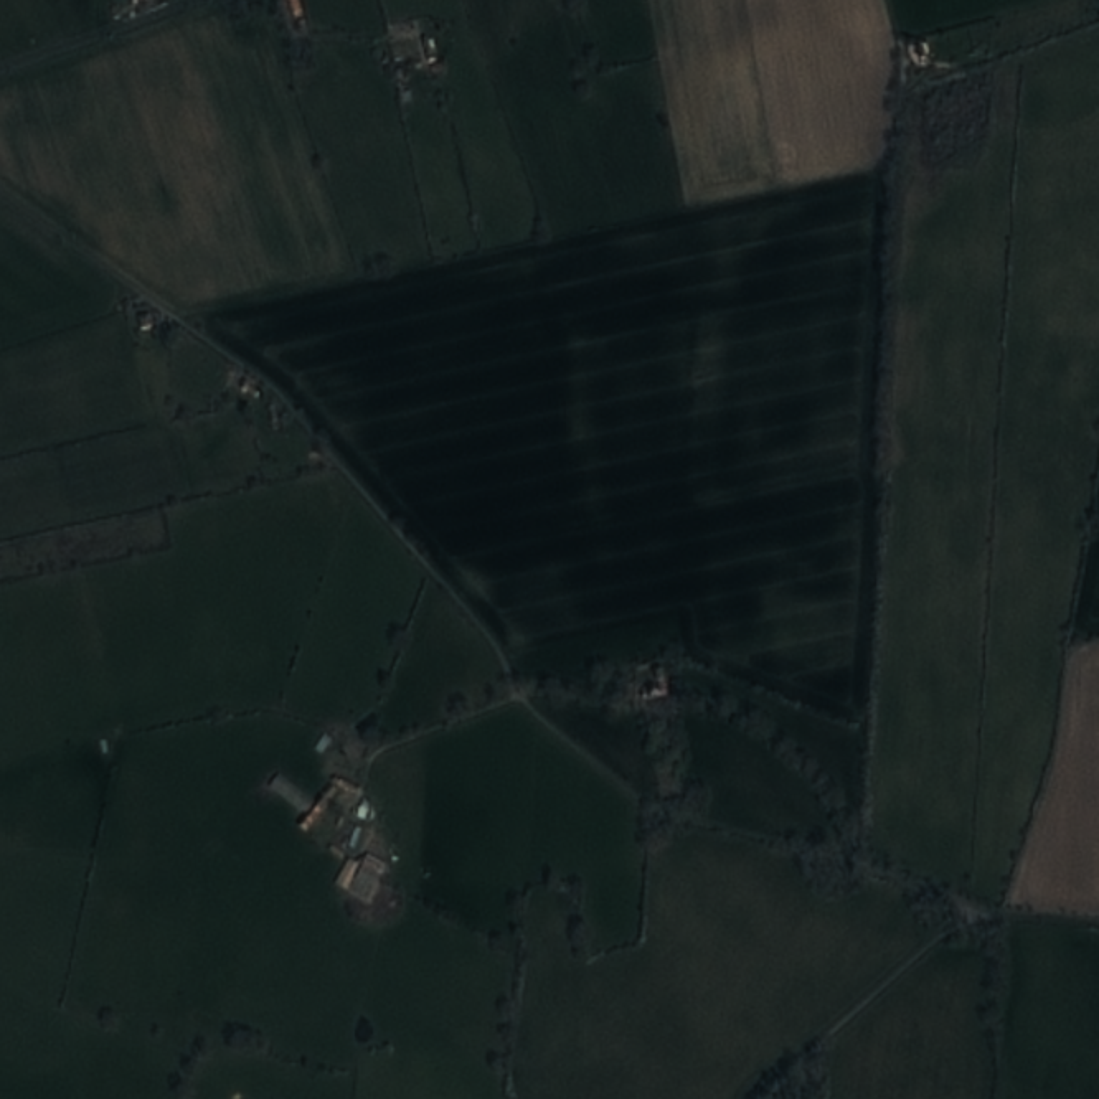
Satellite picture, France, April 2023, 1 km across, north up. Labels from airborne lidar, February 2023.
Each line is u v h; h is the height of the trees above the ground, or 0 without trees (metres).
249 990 0
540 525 0
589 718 0
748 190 0
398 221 0
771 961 0
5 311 0
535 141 0
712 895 0
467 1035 0
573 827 0
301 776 0
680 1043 0
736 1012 0
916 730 0
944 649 0
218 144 0
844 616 0
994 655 0
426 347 0
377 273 16
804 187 0
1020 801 0
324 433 11
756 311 0
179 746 0
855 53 0
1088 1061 0
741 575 0
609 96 0
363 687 0
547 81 0
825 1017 0
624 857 0
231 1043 19
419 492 0
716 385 0
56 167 0
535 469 0
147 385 0
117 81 0
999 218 0
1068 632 11
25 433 0
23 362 0
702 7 0
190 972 0
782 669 0
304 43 6
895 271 18
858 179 0
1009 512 0
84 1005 0
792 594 0
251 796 0
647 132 0
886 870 10
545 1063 0
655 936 0
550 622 0
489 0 0
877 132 0
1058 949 0
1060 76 0
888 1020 0
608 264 0
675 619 0
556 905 0
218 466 0
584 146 0
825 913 0
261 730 0
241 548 0
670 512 0
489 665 0
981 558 0
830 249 0
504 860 0
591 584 0
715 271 0
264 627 0
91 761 0
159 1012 0
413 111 0
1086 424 0
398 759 0
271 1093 0
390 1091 0
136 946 0
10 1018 0
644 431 0
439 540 0
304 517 0
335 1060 0
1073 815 0
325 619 0
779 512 0
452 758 0
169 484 0
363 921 0
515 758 0
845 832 16
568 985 0
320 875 0
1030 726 0
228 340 0
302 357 0
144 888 0
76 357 0
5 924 0
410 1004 0
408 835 0
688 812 15
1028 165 0
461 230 0
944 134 6
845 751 0
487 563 0
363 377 0
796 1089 25
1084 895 0
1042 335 0
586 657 0
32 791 0
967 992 0
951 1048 0
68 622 0
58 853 0
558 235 0
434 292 0
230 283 0
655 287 0
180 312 0
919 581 0
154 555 0
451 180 0
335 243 0
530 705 0
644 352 0
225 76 0
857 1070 0
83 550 0
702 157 0
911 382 0
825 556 0
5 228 0
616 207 0
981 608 0
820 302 0
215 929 0
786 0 0
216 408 10
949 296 0
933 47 0
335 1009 0
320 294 0
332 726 0
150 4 13
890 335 14
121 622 0
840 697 0
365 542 0
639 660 10
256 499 0
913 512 0
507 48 0
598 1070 0
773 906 0
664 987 0
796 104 0
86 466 0
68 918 0
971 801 0
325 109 0
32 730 0
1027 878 0
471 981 0
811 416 0
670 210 0
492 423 0
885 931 0
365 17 0
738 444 0
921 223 0
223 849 0
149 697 0
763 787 0
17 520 0
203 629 0
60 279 0
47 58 0
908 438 0
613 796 0
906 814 0
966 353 0
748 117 0
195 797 0
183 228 0
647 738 14
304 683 0
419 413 0
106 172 0
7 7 0
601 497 0
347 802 0
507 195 0
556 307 0
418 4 0
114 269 0
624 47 0
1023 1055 0
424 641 0
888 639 0
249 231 0
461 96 0
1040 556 0
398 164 0
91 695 0
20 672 0
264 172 0
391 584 0
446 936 0
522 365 0
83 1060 0
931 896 13
